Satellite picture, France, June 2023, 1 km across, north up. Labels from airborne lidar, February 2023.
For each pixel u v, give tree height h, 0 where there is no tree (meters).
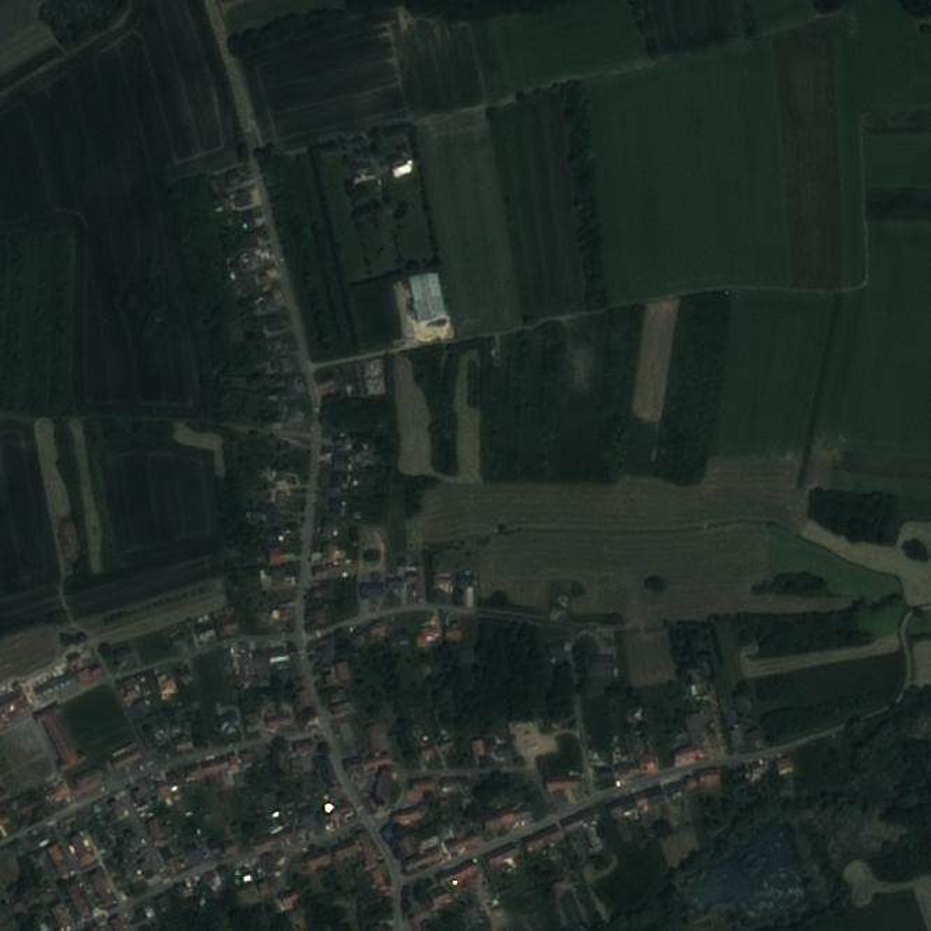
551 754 0
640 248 0
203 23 0
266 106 0
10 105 0
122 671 0
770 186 0
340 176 0
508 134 0
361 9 13
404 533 0
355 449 7
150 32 0
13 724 0
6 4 0
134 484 0
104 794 0
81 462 0
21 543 0
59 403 5
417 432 0
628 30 0
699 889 0
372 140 12
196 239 5
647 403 0
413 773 0
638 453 0
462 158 0
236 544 7
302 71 0
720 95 0
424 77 0
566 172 0
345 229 0
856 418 0
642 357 0
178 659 0
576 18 0
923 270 0
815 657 0
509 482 0
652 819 0
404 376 0
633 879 0
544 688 0
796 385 0
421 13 13
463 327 0
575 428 0
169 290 0
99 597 0
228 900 18
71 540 0
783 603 0
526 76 0
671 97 0
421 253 0
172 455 0
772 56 0
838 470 0
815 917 20
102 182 0
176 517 0
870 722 7
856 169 0
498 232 0
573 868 7
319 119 0
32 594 0
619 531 0
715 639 12
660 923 0
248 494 0
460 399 0
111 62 0
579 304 0
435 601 0
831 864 6
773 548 0
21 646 0
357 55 0
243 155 11
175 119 0
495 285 0
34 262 0
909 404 0
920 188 0
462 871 0
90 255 0
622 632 0
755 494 0
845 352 0
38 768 0
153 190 0
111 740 0
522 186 0
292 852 0
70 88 0
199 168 0
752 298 0
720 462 0
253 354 0
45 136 0
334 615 0
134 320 0
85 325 0
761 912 0
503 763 0
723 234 0
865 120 0
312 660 8
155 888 0
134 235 0
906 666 0
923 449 0
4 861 0
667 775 0
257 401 0
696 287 0
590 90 0
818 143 0
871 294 0
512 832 0
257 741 0
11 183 0
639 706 6
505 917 0
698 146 0
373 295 0
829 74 0
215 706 0
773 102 0
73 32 16
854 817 14
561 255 0
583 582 0
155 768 0
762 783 6
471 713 12
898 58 0
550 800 0
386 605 0
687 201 0
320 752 8
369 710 10
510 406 0
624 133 0
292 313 0
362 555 0
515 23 0
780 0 0
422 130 0
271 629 0
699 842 0
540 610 0
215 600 0
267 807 0
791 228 0
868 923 0
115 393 0
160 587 0
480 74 0
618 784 0
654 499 0
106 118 0
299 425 0
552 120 0
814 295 0
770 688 10
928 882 0
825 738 0
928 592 0
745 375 0
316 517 0
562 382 0
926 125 0
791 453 0
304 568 0
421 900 15
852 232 0
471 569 0
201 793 0
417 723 0
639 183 0
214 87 0
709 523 0
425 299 0
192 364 0
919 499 0
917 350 0
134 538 0
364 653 9
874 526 6
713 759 0
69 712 0
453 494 0
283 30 19
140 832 0
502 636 6
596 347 0
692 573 0
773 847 0
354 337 12
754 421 0
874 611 10
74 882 10
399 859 12
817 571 0
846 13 0
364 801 0
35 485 0
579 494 0
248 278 0
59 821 0
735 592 0
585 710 0
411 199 0
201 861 0
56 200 0
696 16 0
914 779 18
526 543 0
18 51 0
